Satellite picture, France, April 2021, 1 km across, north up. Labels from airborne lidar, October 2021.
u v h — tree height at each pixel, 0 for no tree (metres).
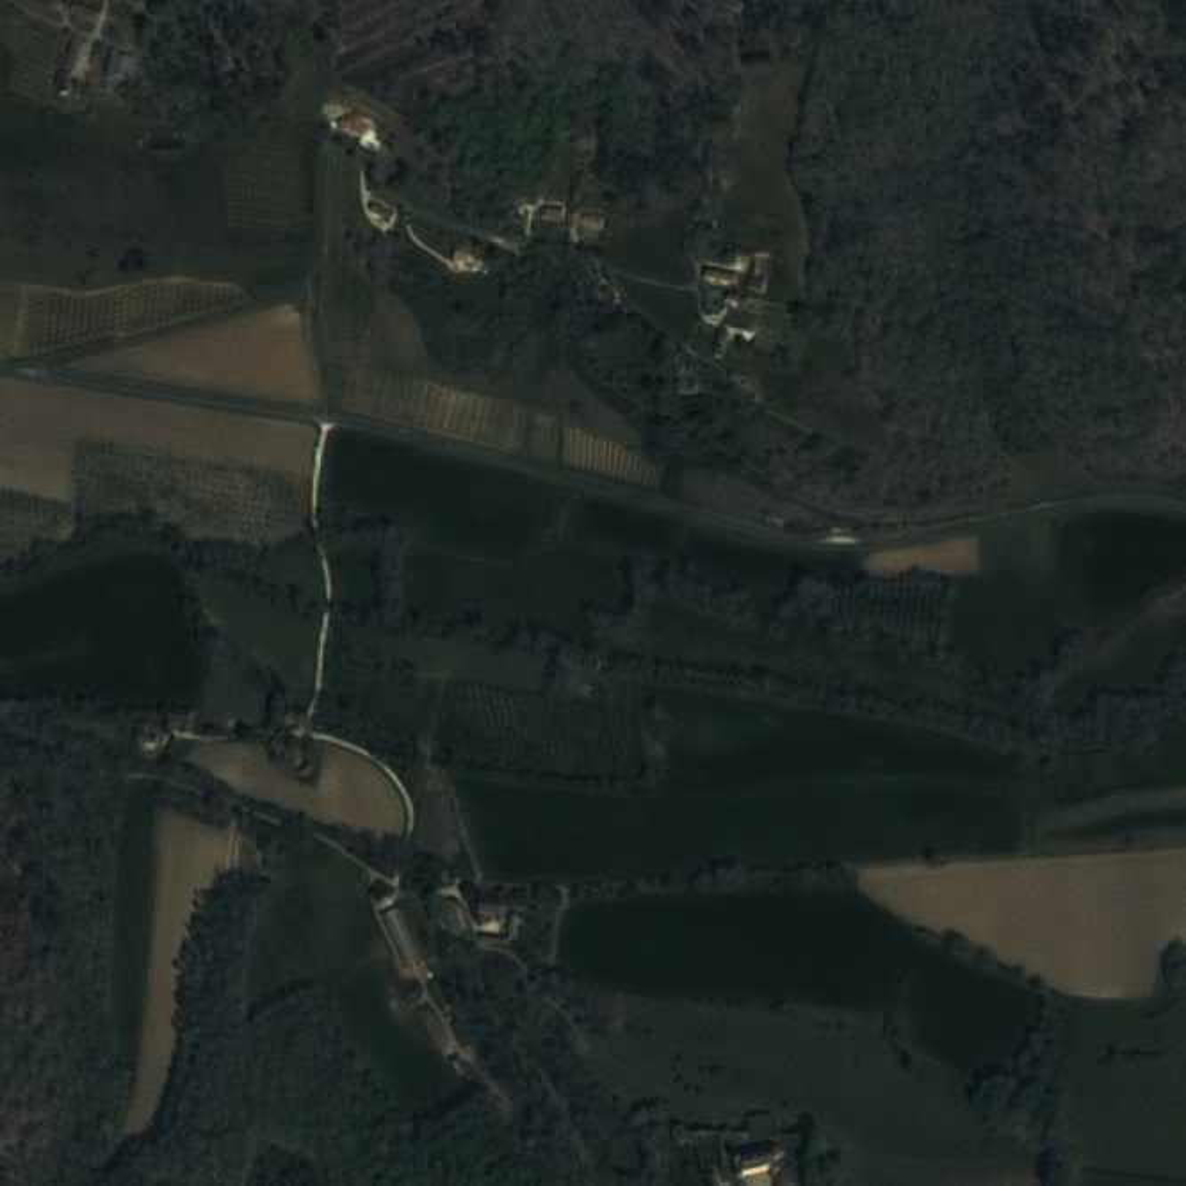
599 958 0
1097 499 0
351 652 11
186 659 0
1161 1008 0
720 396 8
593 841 0
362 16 7
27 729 10
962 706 0
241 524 14
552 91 17
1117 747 17
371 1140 23
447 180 17
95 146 0
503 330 15
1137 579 0
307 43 0
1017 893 0
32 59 0
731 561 0
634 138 17
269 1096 18
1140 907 0
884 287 19
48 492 0
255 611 0
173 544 15
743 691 21
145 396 0
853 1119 0
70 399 0
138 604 0
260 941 0
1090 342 25
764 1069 0
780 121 0
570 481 0
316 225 0
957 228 29
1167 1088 0
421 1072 0
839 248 21
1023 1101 21
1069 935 0
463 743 12
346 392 0
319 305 0
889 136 17
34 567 11
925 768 0
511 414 0
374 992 0
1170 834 0
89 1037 19
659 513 0
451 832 0
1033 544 0
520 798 0
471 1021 22
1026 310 20
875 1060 0
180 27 18
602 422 0
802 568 0
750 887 7
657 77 26
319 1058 19
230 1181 25
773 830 0
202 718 0
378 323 0
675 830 0
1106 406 21
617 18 19
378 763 17
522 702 18
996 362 18
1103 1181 0
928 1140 0
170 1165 21
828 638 18
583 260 16
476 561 0
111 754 9
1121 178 16
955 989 0
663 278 0
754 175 0
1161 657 0
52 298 0
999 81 18
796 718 0
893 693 0
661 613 0
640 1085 0
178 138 17
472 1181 23
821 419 0
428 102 19
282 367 0
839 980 0
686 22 13
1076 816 0
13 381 0
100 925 15
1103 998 0
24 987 15
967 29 18
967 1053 0
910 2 21
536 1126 16
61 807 19
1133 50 16
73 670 0
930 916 0
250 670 11
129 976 0
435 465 0
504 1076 25
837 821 0
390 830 0
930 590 28
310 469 0
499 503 0
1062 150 26
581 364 9
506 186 24
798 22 10
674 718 0
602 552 0
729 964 0
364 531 15
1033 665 0
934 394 19
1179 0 21
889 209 17
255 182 0
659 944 0
